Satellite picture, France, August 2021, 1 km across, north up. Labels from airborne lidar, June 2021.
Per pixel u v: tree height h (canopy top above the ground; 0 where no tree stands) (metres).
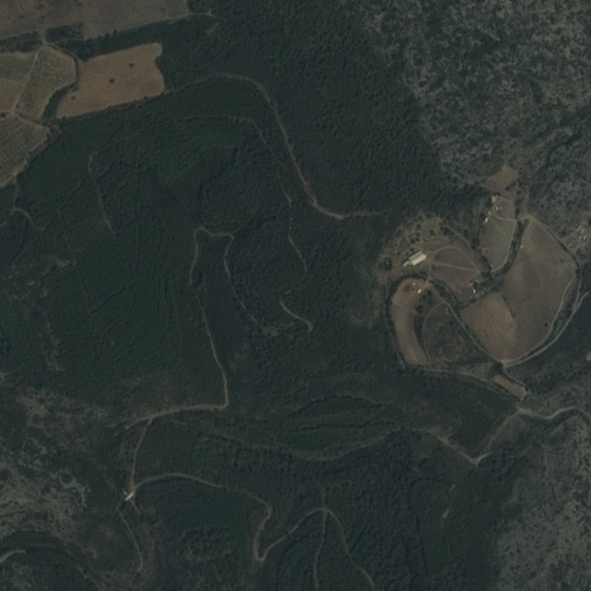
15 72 0
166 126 8
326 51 11
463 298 0
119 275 8
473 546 6
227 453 13
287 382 7
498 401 5
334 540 9
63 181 6
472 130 0
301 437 16
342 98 6
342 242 8
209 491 9
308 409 13
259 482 8
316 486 7
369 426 13
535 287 0
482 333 0
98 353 5
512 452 7
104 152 7
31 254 6
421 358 0
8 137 0
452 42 6
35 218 7
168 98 8
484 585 6
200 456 11
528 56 0
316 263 9
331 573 9
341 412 10
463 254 0
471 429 6
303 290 7
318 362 6
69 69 0
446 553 10
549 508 0
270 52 8
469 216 0
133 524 7
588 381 0
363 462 9
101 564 0
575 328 0
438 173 7
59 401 0
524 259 0
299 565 7
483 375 0
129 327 6
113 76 0
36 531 9
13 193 13
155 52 0
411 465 14
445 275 0
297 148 8
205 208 10
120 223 9
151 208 7
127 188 9
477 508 8
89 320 7
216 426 9
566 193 0
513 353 0
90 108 0
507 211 0
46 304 6
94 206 7
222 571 9
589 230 0
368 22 0
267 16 6
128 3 0
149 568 0
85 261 7
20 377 7
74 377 6
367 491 9
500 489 6
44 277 6
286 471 11
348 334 10
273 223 7
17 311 9
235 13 7
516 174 0
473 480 7
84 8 0
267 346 8
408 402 6
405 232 0
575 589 0
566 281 0
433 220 0
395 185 7
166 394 0
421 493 7
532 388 9
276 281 8
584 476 0
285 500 7
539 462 0
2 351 10
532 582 0
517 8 0
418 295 0
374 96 11
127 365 8
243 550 10
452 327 7
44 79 0
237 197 7
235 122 6
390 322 8
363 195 12
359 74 8
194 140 11
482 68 0
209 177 6
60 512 0
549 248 0
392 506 7
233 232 13
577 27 0
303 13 9
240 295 11
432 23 9
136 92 0
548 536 0
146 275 8
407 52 0
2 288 14
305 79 9
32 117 0
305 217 7
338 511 8
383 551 10
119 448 7
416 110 6
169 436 6
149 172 8
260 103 6
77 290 6
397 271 0
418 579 13
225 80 7
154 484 8
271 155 13
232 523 9
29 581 0
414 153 8
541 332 0
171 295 12
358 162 8
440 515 7
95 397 8
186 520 10
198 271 6
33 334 10
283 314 7
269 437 9
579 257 0
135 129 7
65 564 9
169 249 9
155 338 8
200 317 10
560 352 0
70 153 7
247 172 6
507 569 0
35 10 0
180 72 6
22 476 0
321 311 8
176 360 11
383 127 8
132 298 7
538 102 7
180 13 0
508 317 0
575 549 0
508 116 0
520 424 0
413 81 0
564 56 0
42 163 8
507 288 0
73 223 6
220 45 7
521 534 0
